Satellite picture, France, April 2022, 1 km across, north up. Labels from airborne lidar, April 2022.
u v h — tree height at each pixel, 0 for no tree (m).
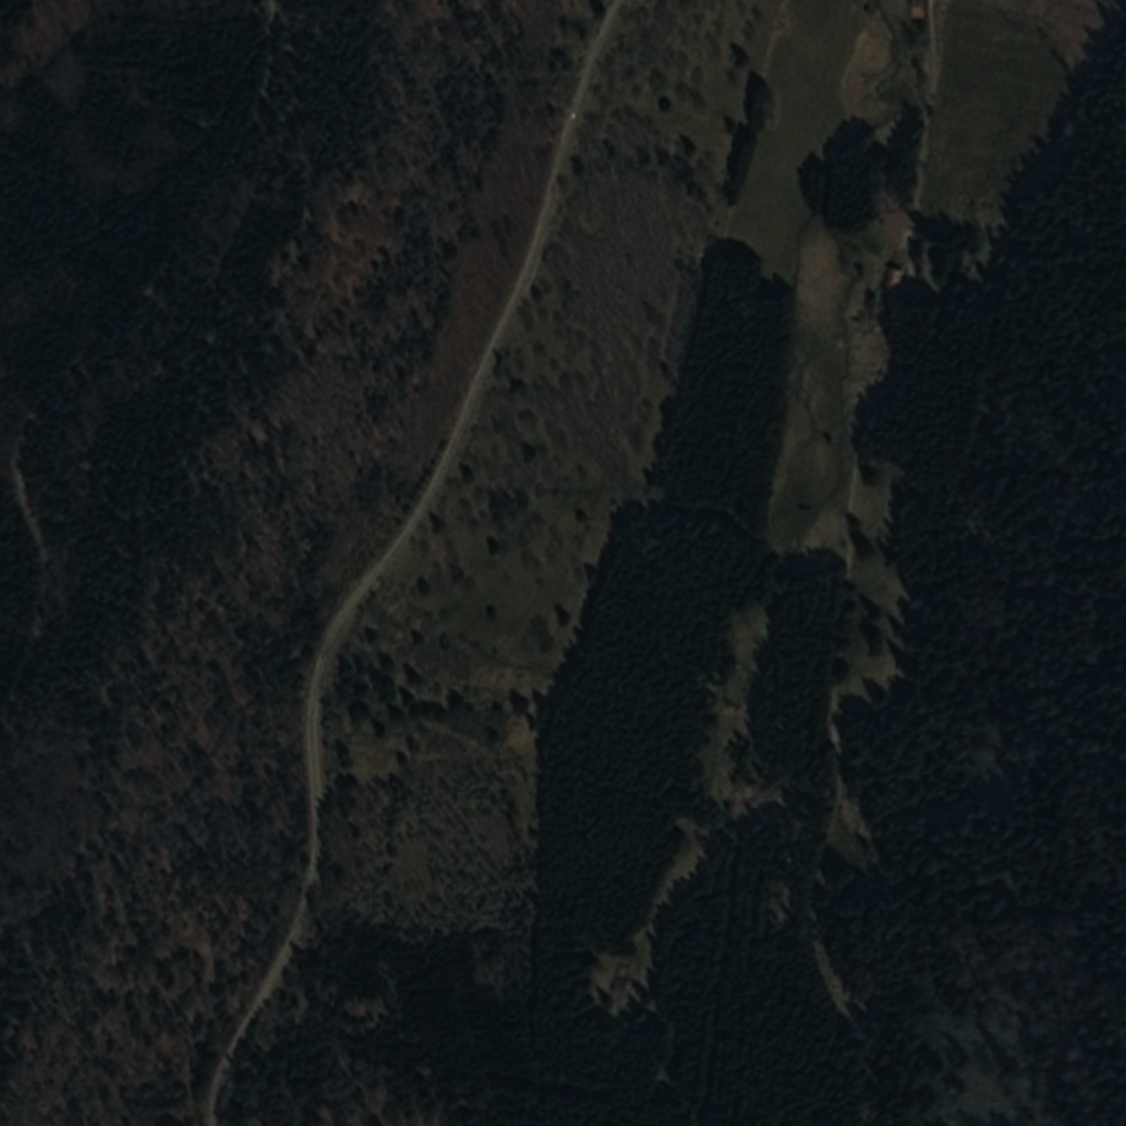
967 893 14
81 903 17
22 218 21
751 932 25
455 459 0
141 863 16
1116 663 19
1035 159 0
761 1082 32
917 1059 28
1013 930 25
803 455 0
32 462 19
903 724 29
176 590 17
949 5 0
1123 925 27
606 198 21
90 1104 20
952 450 28
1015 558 25
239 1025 17
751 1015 31
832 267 0
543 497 17
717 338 29
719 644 27
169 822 25
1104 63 23
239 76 20
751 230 0
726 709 0
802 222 0
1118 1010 26
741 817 0
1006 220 0
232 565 10
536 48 24
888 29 0
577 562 13
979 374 30
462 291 16
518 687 0
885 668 0
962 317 30
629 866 26
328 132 23
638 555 34
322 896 16
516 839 12
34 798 13
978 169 0
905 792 28
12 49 19
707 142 0
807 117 0
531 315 17
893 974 29
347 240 9
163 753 11
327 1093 19
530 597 0
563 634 0
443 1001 13
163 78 20
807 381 0
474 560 0
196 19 14
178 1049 32
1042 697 31
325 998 14
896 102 0
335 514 20
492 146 26
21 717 16
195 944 12
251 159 12
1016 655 24
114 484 10
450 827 15
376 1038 11
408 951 11
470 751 0
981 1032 0
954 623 35
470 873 7
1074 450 27
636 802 28
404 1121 28
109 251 18
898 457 25
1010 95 0
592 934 26
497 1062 13
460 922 14
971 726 24
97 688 17
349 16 23
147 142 9
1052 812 28
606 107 19
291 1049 22
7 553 16
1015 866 24
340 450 27
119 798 20
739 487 33
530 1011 12
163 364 10
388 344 24
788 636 30
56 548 11
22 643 11
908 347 29
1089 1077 23
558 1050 29
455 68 30
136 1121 26
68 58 17
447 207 29
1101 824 27
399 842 13
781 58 0
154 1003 19
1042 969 15
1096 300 32
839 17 0
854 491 0
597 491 0
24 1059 20
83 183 18
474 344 17
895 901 33
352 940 10
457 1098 34
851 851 0
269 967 16
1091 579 22
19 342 16
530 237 17
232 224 15
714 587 31
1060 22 0
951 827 26
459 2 32
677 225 17
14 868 12
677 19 11
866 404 0
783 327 28
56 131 15
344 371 26
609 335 17
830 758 28
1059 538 25
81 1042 10
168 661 24
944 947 29
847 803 0
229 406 18
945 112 0
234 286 7
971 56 0
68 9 17
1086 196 31
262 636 15
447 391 18
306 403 21
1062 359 27
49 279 17
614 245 21
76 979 21
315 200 8
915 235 10
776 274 0
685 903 22
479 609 0
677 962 24
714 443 32
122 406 12
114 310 12
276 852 17
